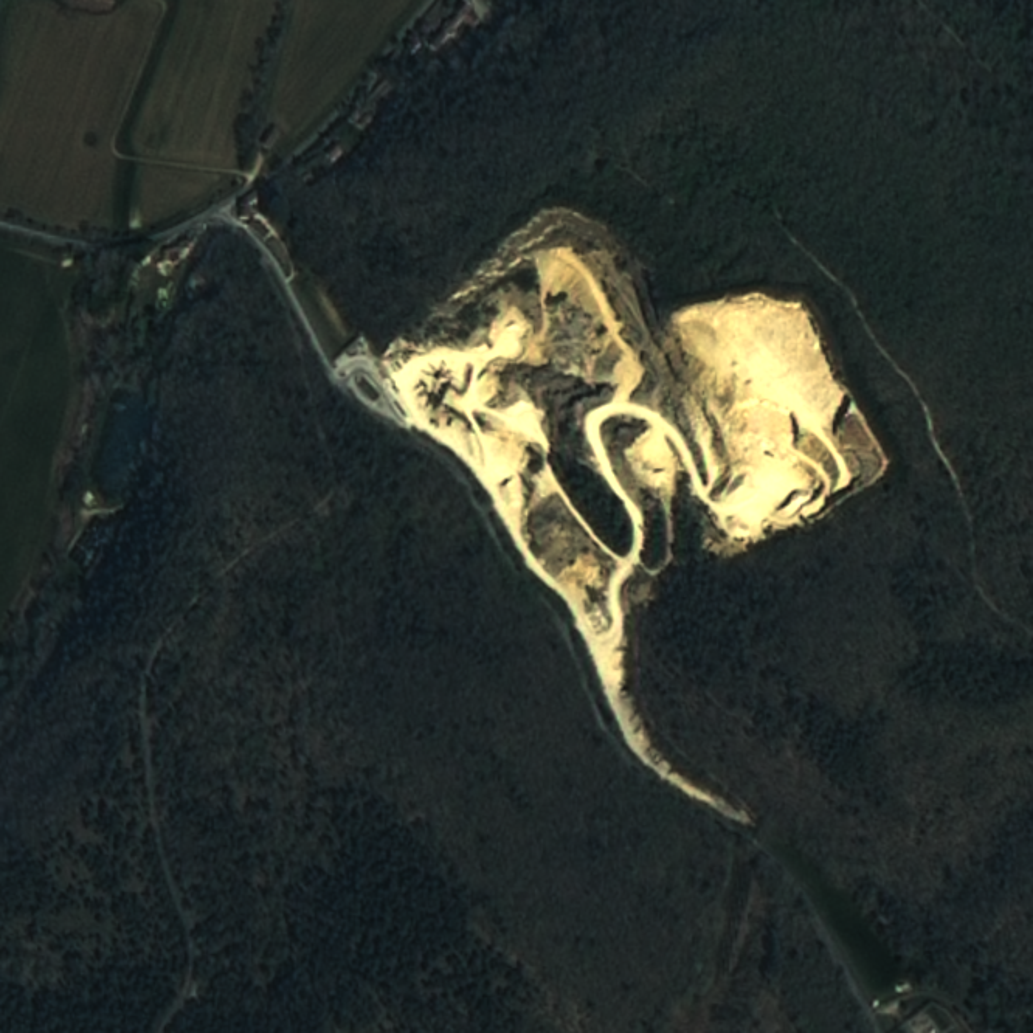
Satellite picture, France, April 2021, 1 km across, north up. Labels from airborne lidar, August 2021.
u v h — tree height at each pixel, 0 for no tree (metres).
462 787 16
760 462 0
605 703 14
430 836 10
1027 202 20
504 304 0
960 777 12
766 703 13
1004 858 13
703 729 8
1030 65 20
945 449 9
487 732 17
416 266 10
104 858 11
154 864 11
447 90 21
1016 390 12
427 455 15
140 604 16
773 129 16
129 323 5
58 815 14
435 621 14
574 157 10
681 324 0
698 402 0
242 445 17
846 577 18
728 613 18
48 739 16
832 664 14
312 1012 20
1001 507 10
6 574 0
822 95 13
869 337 13
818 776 16
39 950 7
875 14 12
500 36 21
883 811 18
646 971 15
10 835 15
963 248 13
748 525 0
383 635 15
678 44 13
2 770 18
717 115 15
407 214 12
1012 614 13
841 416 0
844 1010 10
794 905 17
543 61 14
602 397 0
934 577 19
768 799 16
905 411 9
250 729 14
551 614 21
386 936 10
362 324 15
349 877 12
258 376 21
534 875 20
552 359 0
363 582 21
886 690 17
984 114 7
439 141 12
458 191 16
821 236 18
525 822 19
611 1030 14
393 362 0
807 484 0
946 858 15
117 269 34
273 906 19
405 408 0
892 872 19
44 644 22
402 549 24
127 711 10
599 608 0
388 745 15
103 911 10
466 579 14
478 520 20
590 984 12
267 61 16
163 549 16
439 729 15
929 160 14
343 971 17
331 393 17
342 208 13
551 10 22
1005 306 12
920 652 11
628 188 7
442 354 0
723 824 12
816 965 9
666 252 15
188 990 0
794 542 16
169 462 28
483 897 14
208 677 22
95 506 0
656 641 12
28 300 0
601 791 16
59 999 9
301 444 25
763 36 10
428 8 0
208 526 11
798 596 13
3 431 0
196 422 19
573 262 0
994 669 18
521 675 19
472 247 10
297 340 15
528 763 18
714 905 17
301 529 17
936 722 19
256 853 17
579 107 16
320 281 19
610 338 0
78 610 14
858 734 16
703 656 12
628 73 16
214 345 18
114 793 10
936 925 11
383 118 15
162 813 10
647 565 6
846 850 19
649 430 0
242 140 18
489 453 0
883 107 15
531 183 11
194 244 7
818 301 9
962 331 14
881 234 14
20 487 0
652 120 13
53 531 0
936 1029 0
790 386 0
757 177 18
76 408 0
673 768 8
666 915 15
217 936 18
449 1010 10
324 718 10
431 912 12
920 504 17
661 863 21
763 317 0
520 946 15
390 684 15
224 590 18
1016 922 9
